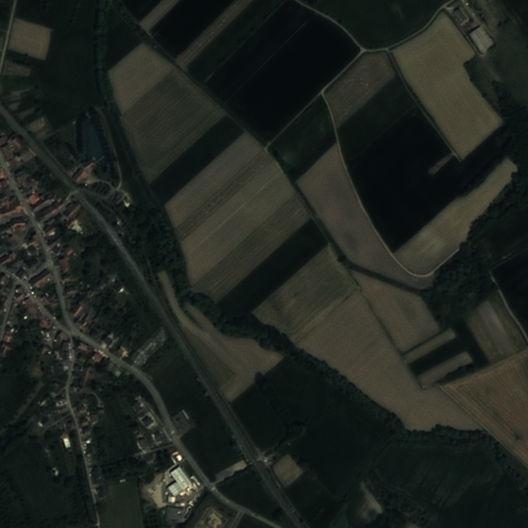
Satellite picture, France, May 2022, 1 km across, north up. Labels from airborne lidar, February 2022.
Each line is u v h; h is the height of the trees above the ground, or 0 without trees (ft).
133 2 0
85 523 0
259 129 0
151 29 0
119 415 0
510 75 0
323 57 0
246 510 0
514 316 0
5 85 0
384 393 0
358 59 0
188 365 0
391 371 0
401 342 0
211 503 0
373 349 0
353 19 0
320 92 0
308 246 0
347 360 0
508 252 0
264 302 0
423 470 0
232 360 0
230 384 0
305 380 0
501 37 0
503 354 0
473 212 0
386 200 0
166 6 0
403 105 0
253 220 0
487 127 0
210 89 0
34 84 0
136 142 0
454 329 0
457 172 0
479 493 0
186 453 0
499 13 0
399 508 20
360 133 0
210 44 0
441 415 0
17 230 0
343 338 0
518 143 48
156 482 0
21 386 0
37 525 0
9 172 0
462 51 0
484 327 0
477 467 0
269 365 0
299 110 0
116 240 0
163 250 69
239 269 0
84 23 0
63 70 0
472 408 0
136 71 0
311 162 0
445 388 0
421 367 0
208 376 0
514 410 0
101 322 0
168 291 0
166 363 0
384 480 0
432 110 0
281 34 0
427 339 0
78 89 0
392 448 0
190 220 0
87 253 38
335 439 0
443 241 0
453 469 0
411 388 0
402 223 0
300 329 0
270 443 0
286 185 0
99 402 0
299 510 0
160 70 0
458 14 0
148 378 0
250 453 0
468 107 0
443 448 0
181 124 0
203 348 0
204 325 0
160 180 0
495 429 0
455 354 0
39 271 0
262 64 0
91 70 0
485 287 21
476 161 0
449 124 0
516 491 0
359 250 0
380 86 0
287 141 0
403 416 0
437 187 0
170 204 0
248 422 0
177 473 0
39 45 0
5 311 0
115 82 0
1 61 0
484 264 39
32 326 22
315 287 0
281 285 0
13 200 0
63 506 0
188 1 0
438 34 0
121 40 0
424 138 0
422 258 0
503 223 0
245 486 0
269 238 0
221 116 0
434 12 0
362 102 0
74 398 0
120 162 0
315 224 0
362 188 0
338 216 0
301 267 0
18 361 0
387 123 0
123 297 0
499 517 0
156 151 0
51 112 0
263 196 0
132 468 35
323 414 0
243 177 0
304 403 0
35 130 0
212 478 0
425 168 0
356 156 0
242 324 69
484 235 0
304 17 0
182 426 0
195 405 0
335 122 0
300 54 0
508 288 0
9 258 0
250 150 0
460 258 24
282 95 0
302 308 0
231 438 26
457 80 0
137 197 0
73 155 56
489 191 0
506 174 0
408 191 0
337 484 0
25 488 0
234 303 0
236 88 0
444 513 0
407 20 0
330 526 0
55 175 0
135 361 0
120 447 0
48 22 0
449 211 0
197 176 0
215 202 0
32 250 0
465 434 40
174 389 0
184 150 0
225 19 0
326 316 0
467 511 0
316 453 0
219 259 0
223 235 0
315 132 0
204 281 0
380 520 63
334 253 0
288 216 0
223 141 0
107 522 0
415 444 64
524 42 0
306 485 0
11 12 0
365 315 0
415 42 0
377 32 0
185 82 0
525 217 0
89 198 0
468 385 0
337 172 0
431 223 0
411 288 0
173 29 0
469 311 0
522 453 0
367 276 0
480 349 0
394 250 0
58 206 0
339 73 0
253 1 0
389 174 0
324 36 0
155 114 0
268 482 0
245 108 0
